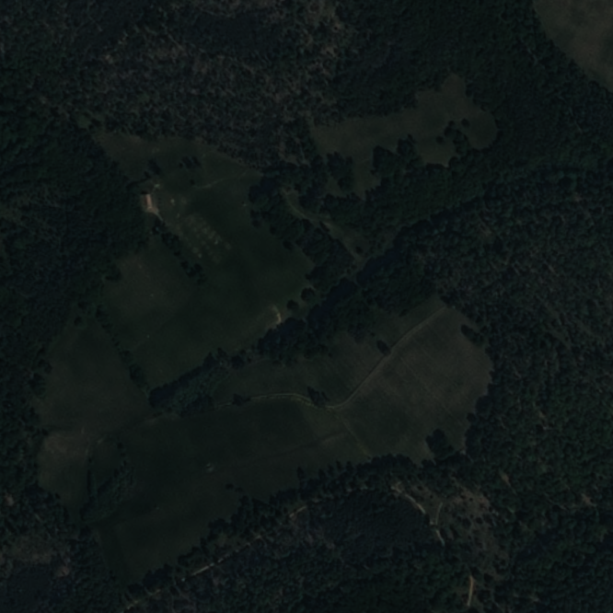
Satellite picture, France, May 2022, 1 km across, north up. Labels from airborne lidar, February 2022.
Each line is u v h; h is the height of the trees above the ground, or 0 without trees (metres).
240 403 18
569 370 31
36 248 17
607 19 0
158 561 0
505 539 28
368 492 12
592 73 0
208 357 0
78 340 0
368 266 0
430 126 0
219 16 25
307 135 9
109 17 12
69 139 21
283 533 33
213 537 16
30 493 33
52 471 0
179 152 0
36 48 30
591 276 33
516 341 29
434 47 25
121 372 0
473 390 0
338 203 20
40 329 19
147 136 34
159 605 8
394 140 0
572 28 0
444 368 0
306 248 23
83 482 0
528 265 30
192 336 0
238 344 0
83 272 31
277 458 0
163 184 0
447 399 0
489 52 21
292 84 27
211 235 0
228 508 0
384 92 24
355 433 0
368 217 34
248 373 0
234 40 10
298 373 0
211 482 0
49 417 0
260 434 0
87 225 10
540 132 16
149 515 0
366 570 29
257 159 6
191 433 0
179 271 0
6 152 28
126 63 9
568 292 32
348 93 17
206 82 26
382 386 0
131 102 24
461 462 27
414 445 0
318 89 27
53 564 9
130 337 0
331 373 0
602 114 26
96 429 0
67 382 0
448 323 0
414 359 0
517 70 21
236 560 8
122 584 0
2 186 20
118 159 0
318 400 22
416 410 0
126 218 28
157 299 0
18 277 19
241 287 0
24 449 25
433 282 10
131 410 0
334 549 24
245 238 0
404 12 22
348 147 0
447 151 0
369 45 19
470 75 25
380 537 12
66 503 0
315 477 0
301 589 22
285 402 0
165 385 0
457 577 31
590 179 30
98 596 29
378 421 0
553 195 29
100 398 0
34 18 25
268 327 0
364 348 0
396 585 28
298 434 0
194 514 0
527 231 29
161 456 0
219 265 0
